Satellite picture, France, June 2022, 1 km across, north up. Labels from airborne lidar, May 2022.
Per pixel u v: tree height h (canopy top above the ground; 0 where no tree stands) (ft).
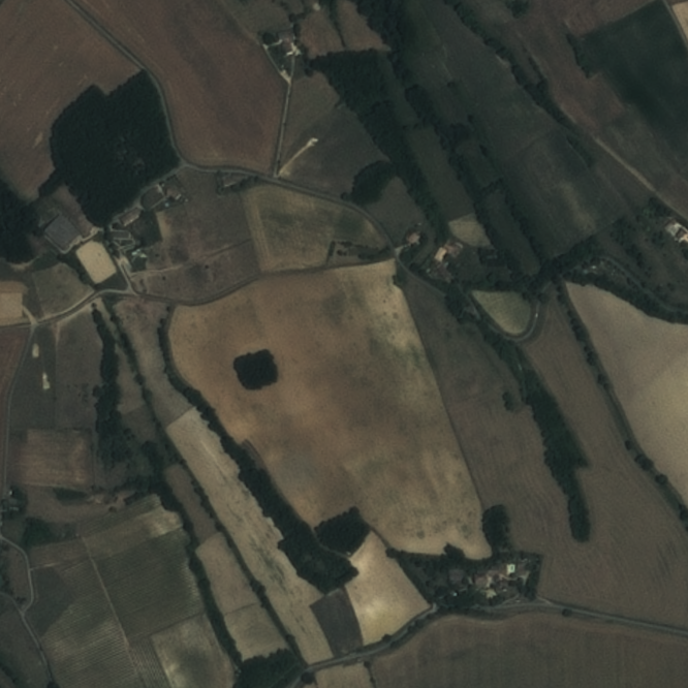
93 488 21
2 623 0
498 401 0
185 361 0
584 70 36
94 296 0
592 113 0
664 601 0
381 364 0
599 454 0
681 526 0
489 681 0
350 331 0
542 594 0
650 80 0
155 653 0
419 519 0
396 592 0
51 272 0
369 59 38
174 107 0
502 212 0
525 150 0
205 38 0
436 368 0
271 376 56
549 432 24
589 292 0
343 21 0
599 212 0
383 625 0
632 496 0
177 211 0
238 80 0
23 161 0
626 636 0
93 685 0
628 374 0
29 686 0
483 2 0
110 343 61
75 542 0
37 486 0
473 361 0
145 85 43
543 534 0
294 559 36
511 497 0
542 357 0
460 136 108
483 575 0
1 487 0
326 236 0
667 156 0
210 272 0
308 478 0
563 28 0
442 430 0
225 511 0
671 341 0
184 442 0
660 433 0
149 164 40
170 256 0
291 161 0
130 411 0
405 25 49
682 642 0
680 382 0
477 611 20
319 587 27
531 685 0
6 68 0
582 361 0
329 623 0
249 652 0
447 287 22
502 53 62
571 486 52
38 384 0
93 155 59
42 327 0
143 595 0
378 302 0
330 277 0
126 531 0
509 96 0
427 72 0
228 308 0
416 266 36
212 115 0
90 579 0
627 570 0
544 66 0
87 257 0
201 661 0
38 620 0
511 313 0
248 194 0
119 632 0
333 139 0
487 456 0
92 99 51
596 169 0
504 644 0
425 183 56
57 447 0
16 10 0
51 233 0
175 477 0
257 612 0
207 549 0
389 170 59
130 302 0
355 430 0
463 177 55
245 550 0
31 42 0
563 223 0
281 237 0
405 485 0
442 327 0
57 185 50
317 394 0
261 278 0
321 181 0
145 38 0
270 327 0
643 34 0
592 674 0
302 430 0
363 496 0
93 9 0
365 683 0
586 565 0
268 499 45
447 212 0
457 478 0
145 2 0
